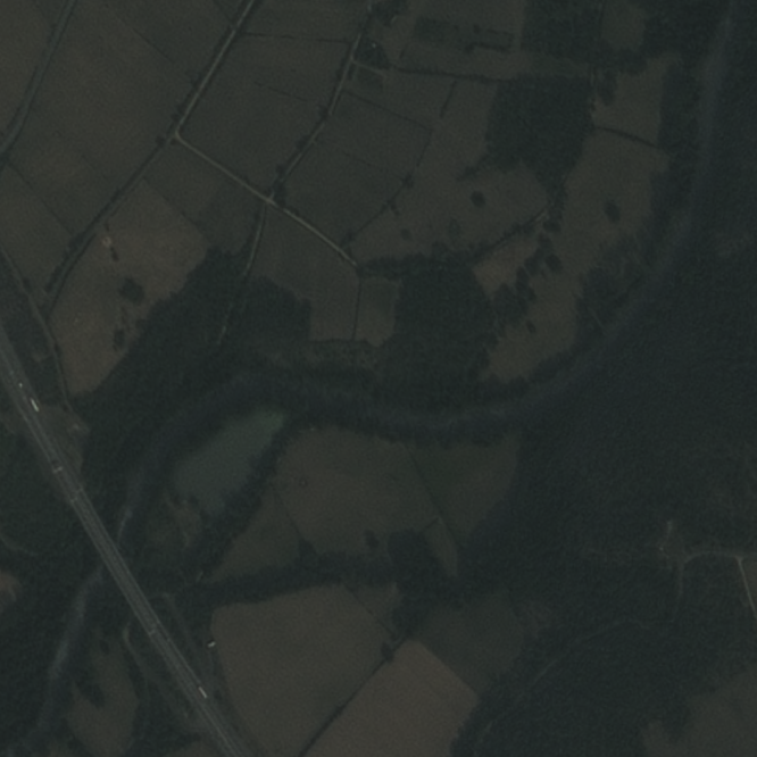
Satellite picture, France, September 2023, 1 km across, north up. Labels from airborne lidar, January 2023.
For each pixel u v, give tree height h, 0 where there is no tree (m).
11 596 0
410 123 0
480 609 0
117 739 0
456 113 0
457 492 0
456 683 0
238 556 0
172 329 14
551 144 13
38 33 0
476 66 0
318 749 0
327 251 0
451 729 0
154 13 0
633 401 15
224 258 12
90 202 0
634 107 0
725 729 0
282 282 0
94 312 0
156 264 0
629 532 12
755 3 20
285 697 0
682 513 10
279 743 0
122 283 0
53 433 0
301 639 0
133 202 0
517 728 16
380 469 0
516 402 0
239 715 0
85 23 0
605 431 11
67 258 11
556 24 19
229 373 18
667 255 0
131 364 14
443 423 0
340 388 15
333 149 0
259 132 0
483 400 20
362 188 0
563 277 0
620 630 11
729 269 18
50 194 0
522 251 0
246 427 0
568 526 6
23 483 9
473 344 12
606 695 9
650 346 22
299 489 0
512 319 16
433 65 0
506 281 0
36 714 9
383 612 0
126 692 0
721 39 0
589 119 13
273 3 0
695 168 18
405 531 0
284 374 12
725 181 27
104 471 18
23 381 0
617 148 0
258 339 8
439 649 0
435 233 0
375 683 0
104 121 0
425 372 16
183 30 0
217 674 0
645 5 13
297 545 0
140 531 12
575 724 13
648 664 11
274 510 0
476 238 0
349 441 0
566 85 18
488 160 8
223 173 0
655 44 22
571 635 11
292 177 0
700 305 13
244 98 0
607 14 0
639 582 22
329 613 0
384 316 0
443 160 0
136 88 0
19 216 0
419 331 14
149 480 10
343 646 0
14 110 0
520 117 17
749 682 0
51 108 0
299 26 0
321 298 0
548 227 11
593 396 16
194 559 15
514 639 0
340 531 0
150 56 0
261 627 0
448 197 0
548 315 0
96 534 0
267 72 0
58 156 0
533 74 0
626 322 0
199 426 27
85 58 0
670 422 11
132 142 0
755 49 10
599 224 0
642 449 7
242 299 18
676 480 8
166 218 0
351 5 0
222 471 0
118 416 10
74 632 0
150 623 0
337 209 0
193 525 0
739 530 6
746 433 9
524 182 0
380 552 0
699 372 13
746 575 0
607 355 16
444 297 16
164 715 13
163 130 0
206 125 0
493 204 0
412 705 0
